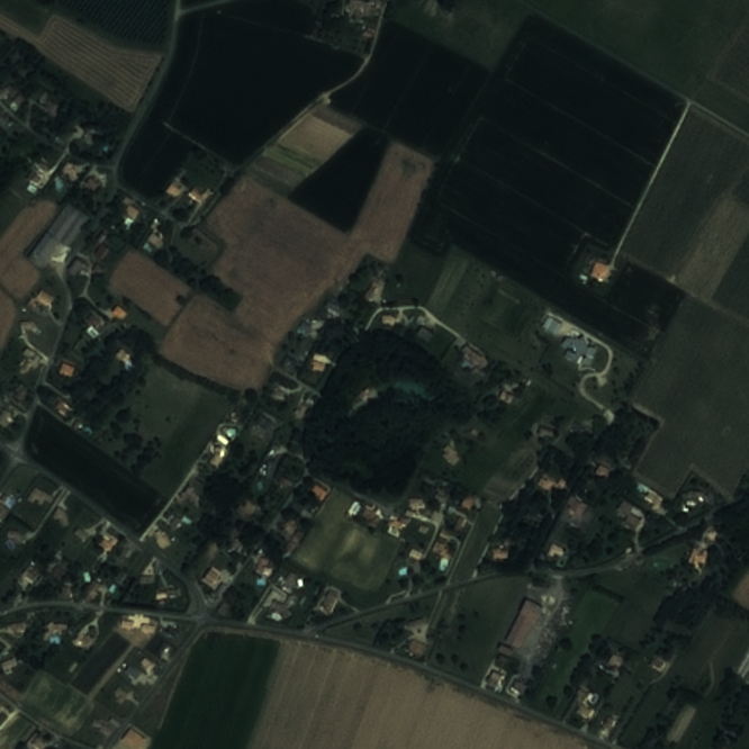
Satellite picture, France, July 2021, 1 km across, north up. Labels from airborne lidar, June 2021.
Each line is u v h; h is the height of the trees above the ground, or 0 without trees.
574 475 14
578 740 0
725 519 14
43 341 0
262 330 0
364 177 0
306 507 14
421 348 12
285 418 0
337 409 21
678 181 0
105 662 0
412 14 0
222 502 17
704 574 0
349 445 16
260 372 0
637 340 0
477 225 0
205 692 0
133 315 0
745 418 0
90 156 14
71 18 0
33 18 0
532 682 7
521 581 0
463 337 0
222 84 0
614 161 0
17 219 0
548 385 0
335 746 0
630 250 0
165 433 0
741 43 0
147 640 0
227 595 8
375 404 17
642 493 0
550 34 0
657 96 0
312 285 0
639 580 0
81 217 0
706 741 0
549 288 0
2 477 0
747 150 0
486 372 8
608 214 0
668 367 0
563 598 0
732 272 0
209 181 0
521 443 0
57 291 0
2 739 0
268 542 18
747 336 0
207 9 0
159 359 8
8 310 0
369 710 0
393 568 0
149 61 0
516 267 0
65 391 9
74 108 16
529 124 0
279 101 0
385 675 0
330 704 0
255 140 0
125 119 6
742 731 19
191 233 9
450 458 0
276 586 0
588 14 0
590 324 0
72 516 0
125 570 6
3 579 0
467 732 0
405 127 0
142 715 0
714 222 0
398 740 0
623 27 0
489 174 0
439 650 0
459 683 0
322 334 5
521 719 0
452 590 0
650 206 0
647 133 0
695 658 0
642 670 0
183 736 0
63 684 0
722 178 0
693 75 0
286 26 0
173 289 0
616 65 0
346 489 0
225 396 7
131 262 0
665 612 11
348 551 0
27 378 0
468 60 0
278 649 0
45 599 6
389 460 14
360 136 0
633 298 0
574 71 0
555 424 5
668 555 0
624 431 17
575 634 0
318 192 0
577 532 6
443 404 9
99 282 14
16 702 0
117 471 0
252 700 0
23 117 5
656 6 0
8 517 6
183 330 0
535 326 0
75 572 6
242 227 0
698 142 0
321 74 0
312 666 0
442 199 0
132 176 0
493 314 0
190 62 0
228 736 0
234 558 11
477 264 0
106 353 12
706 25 0
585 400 0
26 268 0
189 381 6
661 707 0
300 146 0
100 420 11
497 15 0
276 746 0
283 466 10
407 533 0
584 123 0
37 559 6
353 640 0
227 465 8
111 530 0
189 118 0
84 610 0
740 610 10
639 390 0
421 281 0
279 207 0
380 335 20
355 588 0
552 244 0
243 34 0
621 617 0
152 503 0
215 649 0
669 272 0
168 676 0
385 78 0
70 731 0
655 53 0
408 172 0
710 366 0
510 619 0
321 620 9
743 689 12
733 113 0
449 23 0
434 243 0
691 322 0
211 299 0
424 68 0
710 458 0
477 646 0
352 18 6
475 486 0
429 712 0
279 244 0
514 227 0
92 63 0
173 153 0
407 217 0
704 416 0
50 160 0
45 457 0
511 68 0
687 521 10
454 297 0
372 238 0
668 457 0
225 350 0
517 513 17
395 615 0
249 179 0
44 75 14
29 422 0
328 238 0
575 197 0
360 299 6
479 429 0
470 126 0
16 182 0
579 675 10
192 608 0
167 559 0
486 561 14
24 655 10
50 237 0
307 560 0
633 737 0
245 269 0
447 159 0
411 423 13
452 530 7
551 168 0
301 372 6
